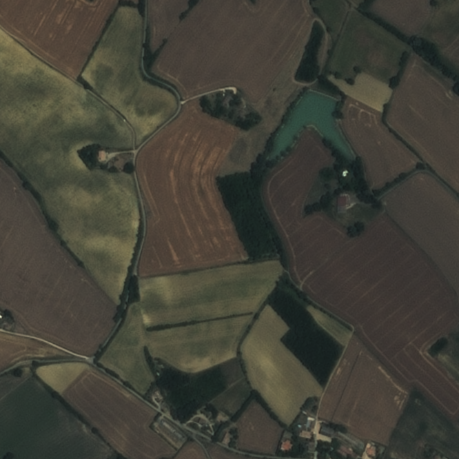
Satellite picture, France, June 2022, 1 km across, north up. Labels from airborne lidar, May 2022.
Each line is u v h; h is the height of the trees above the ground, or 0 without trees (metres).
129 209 0
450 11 0
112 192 0
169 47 0
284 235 0
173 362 0
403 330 0
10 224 0
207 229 0
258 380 0
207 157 0
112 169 8
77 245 0
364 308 0
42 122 0
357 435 0
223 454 0
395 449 0
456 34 0
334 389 0
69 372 0
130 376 0
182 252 0
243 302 0
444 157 0
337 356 11
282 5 0
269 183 0
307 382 0
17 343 0
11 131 0
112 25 0
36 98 0
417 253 0
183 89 0
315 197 0
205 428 7
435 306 0
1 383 0
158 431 0
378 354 0
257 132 0
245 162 0
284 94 0
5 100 0
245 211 10
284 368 0
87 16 0
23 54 0
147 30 6
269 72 0
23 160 0
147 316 0
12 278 0
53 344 0
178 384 16
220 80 0
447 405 0
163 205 0
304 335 13
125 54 0
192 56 0
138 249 9
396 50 0
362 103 0
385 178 0
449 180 0
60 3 0
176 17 0
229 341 0
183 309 0
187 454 0
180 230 0
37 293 0
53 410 0
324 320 0
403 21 0
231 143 0
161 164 0
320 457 11
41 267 0
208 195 0
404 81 0
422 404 0
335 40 0
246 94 0
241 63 0
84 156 7
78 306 0
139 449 0
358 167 14
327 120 0
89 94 0
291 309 10
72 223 0
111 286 0
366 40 0
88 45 0
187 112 0
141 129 0
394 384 0
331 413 0
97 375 0
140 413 0
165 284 0
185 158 0
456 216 0
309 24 0
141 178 0
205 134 0
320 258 0
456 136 0
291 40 0
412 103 0
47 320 0
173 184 0
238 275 0
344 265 0
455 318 0
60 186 0
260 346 0
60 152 0
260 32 0
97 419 0
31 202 0
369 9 0
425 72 0
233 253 0
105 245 0
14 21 0
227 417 0
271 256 9
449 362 0
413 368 0
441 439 0
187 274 0
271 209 0
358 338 0
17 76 0
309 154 0
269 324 0
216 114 9
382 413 0
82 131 0
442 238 0
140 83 0
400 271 0
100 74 0
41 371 0
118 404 0
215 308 0
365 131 0
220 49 0
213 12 0
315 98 0
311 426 0
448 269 0
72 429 0
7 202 0
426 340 0
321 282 0
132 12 0
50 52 0
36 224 0
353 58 0
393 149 0
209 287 0
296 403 0
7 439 0
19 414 0
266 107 0
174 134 0
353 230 21
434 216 0
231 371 0
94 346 0
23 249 0
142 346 0
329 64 0
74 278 0
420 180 0
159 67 0
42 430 0
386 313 0
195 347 0
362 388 0
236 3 0
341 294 0
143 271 0
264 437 0
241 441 0
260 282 0
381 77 0
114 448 0
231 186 14
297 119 0
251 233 11
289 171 0
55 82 0
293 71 0
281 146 0
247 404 11
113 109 0
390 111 0
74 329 0
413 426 0
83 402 0
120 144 0
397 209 0
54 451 0
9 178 0
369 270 0
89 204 0
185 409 15
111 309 0
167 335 0
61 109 0
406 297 0
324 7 0
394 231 0
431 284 0
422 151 0
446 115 0
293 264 0
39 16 0
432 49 17
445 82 0
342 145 0
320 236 0
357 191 11
